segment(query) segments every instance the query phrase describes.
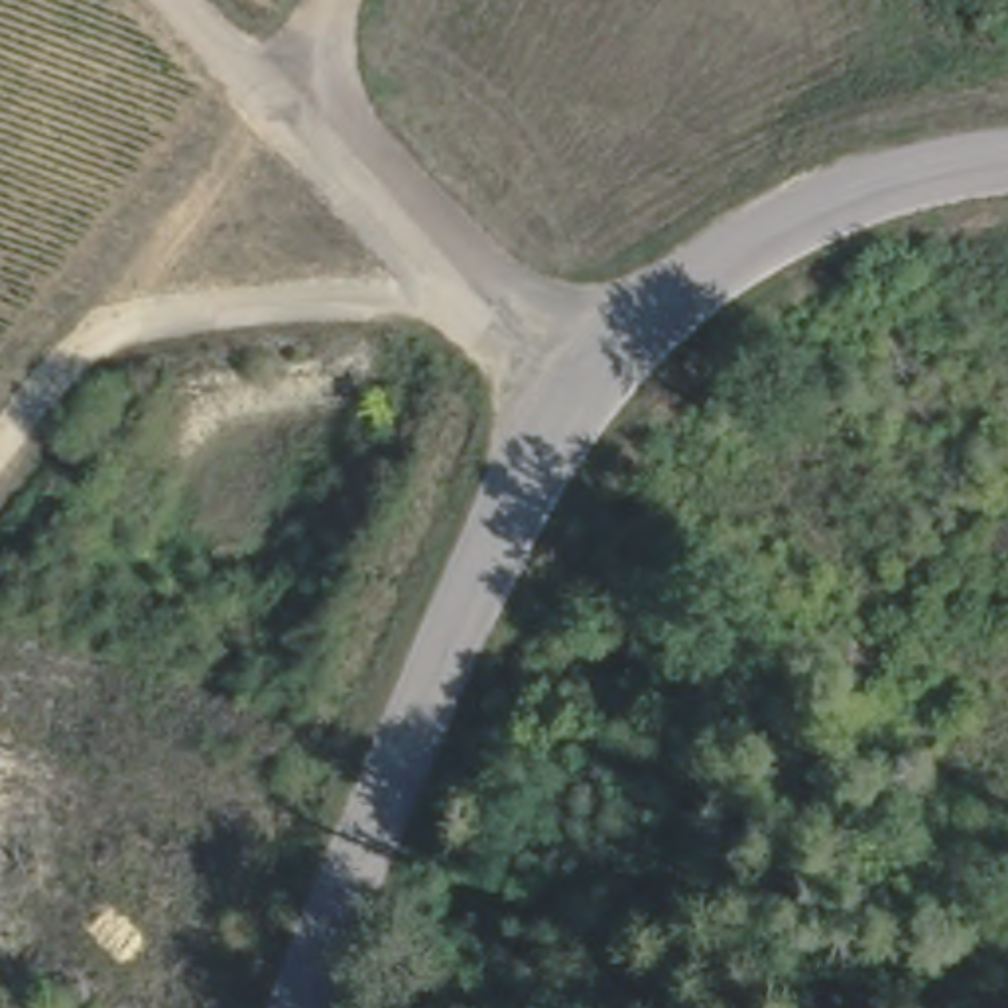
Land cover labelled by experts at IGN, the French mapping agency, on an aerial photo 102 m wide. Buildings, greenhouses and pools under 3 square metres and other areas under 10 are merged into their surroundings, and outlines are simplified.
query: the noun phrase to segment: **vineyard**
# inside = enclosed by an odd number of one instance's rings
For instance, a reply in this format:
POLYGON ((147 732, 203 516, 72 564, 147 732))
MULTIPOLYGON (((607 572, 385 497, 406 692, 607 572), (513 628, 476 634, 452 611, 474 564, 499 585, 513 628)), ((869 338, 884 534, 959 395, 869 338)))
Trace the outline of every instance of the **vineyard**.
POLYGON ((276 35, 303 0, 205 0, 228 24, 260 39, 276 35))
POLYGON ((24 307, 32 299, 32 280, 47 276, 71 244, 79 244, 91 217, 106 205, 106 189, 122 185, 122 177, 138 165, 138 154, 161 138, 146 122, 173 122, 181 98, 189 98, 197 87, 213 87, 217 79, 209 63, 193 51, 193 43, 177 35, 177 28, 150 0, 0 0, 0 303, 24 307))

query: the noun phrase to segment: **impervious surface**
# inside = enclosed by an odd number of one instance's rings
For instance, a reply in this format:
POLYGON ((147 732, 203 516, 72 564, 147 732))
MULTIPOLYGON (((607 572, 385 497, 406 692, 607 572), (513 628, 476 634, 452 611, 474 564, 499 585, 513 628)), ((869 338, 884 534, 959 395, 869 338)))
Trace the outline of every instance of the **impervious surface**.
POLYGON ((492 402, 488 461, 476 465, 476 480, 484 484, 484 492, 473 500, 465 516, 461 539, 445 563, 445 575, 429 599, 429 610, 402 662, 398 685, 386 701, 386 717, 394 725, 370 732, 362 780, 350 784, 347 807, 331 827, 331 862, 315 874, 307 910, 291 917, 287 929, 319 937, 339 917, 347 917, 358 929, 366 910, 382 902, 374 886, 386 882, 386 858, 398 847, 398 831, 406 827, 406 815, 445 732, 445 717, 437 709, 449 705, 445 689, 461 673, 461 658, 484 650, 492 626, 500 622, 500 602, 516 591, 532 543, 547 528, 567 488, 567 476, 575 473, 575 453, 614 425, 622 406, 638 394, 642 378, 658 362, 665 362, 689 335, 697 335, 701 323, 713 319, 728 299, 740 299, 756 284, 823 252, 827 244, 851 232, 914 217, 937 205, 1008 193, 1008 126, 854 154, 823 169, 795 173, 713 221, 689 244, 650 264, 638 264, 606 284, 543 280, 520 268, 504 244, 496 244, 496 236, 480 228, 480 221, 449 205, 441 189, 433 189, 421 177, 406 150, 382 130, 354 63, 354 20, 362 0, 303 0, 276 35, 260 39, 264 63, 272 63, 280 79, 287 79, 291 87, 287 102, 276 106, 268 118, 284 122, 287 130, 303 114, 331 126, 347 142, 347 150, 382 181, 382 189, 410 213, 410 221, 441 248, 441 256, 457 268, 465 287, 492 311, 488 327, 461 350, 484 374, 492 402))

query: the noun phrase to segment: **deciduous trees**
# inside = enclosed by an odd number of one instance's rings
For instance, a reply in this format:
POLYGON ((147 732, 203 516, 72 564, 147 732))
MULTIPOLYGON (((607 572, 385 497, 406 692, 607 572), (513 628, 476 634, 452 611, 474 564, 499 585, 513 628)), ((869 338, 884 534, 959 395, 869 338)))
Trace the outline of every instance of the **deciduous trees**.
POLYGON ((921 0, 933 16, 941 16, 941 24, 957 20, 961 32, 973 32, 980 24, 1008 47, 1008 0, 921 0))
POLYGON ((721 610, 713 602, 713 595, 705 591, 705 575, 689 571, 681 524, 642 488, 650 425, 665 421, 673 406, 705 406, 713 398, 713 386, 725 378, 728 413, 736 429, 760 433, 776 445, 780 457, 791 457, 795 449, 827 433, 827 390, 815 354, 768 331, 768 323, 740 299, 728 299, 713 319, 701 323, 697 335, 689 335, 665 362, 658 362, 642 378, 638 394, 622 406, 614 425, 575 453, 575 473, 567 476, 567 488, 547 528, 532 543, 516 591, 500 602, 500 622, 492 626, 484 650, 461 658, 461 673, 445 689, 449 705, 437 709, 445 717, 445 732, 406 815, 406 827, 398 831, 398 847, 386 858, 386 882, 374 886, 382 902, 413 910, 417 925, 429 929, 425 949, 433 949, 433 965, 449 973, 449 965, 461 957, 441 925, 453 886, 480 886, 504 898, 524 898, 547 874, 571 874, 587 854, 599 854, 610 858, 622 870, 622 878, 650 902, 681 870, 701 878, 728 874, 728 851, 736 851, 748 839, 748 831, 764 839, 780 831, 803 843, 803 831, 811 823, 831 823, 835 831, 874 831, 890 819, 890 858, 898 866, 886 870, 882 882, 870 882, 862 890, 870 906, 886 910, 898 921, 914 917, 917 906, 933 898, 937 906, 957 906, 957 917, 973 929, 977 945, 1008 945, 1008 831, 937 827, 933 835, 925 835, 921 791, 894 784, 882 788, 866 807, 843 803, 835 795, 831 756, 807 740, 811 677, 791 673, 791 658, 799 654, 795 642, 764 642, 768 618, 744 618, 740 610, 721 610), (772 776, 748 788, 736 744, 756 732, 768 740, 776 764, 772 776))

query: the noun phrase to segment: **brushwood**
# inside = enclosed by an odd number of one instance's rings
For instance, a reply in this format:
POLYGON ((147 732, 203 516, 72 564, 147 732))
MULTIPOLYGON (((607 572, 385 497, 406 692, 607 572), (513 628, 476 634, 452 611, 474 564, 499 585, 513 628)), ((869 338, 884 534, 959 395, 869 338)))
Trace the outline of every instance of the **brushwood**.
POLYGON ((75 382, 47 406, 47 413, 28 429, 16 465, 0 476, 0 595, 20 587, 28 599, 24 614, 43 614, 43 626, 59 626, 59 642, 67 650, 75 642, 87 642, 91 650, 106 650, 122 673, 142 673, 165 685, 185 685, 201 677, 205 693, 236 697, 236 709, 268 713, 272 725, 327 721, 343 705, 343 662, 350 650, 350 622, 362 614, 370 587, 398 587, 398 571, 386 567, 382 555, 410 512, 406 484, 413 469, 413 445, 390 433, 378 437, 370 449, 354 453, 350 437, 335 437, 327 429, 327 453, 303 461, 291 504, 268 516, 264 543, 248 555, 217 555, 213 543, 193 532, 193 520, 181 512, 193 457, 177 453, 177 437, 193 402, 185 398, 181 378, 169 378, 134 347, 122 347, 106 358, 91 358, 75 374, 75 382))
POLYGON ((874 725, 874 732, 858 732, 858 756, 902 760, 929 748, 933 740, 949 744, 933 784, 921 791, 925 835, 933 835, 937 827, 1008 831, 1008 193, 937 205, 914 217, 851 232, 827 244, 823 252, 756 284, 740 299, 768 323, 768 331, 815 354, 827 390, 827 433, 795 449, 791 457, 780 457, 776 445, 760 433, 736 429, 728 413, 725 378, 713 386, 713 398, 705 406, 673 406, 665 421, 650 425, 642 488, 681 524, 689 571, 705 575, 705 591, 713 595, 713 602, 721 610, 740 610, 744 618, 768 618, 764 642, 795 642, 799 654, 823 662, 858 650, 858 697, 851 709, 862 709, 874 725))

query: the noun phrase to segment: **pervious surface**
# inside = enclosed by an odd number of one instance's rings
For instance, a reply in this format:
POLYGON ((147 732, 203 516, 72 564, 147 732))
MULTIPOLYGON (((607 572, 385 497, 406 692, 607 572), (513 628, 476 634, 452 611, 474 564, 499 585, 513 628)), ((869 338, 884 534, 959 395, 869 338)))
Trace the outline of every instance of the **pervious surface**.
POLYGON ((268 118, 276 106, 287 102, 291 87, 287 79, 280 79, 272 63, 264 63, 260 39, 228 24, 205 0, 150 0, 177 28, 177 35, 193 43, 193 51, 209 63, 217 79, 224 83, 232 114, 248 122, 272 154, 280 154, 299 177, 315 185, 331 213, 347 221, 347 228, 354 228, 374 256, 386 260, 382 272, 307 276, 264 287, 213 284, 185 287, 173 295, 138 295, 130 303, 102 303, 87 311, 83 323, 59 343, 63 358, 35 354, 28 362, 28 370, 12 382, 12 398, 20 410, 12 417, 0 417, 0 476, 16 465, 28 429, 47 413, 47 406, 75 382, 75 374, 91 358, 106 358, 122 347, 134 347, 150 339, 228 331, 252 323, 417 319, 441 331, 461 350, 488 327, 492 311, 465 287, 457 268, 441 256, 441 248, 410 221, 410 213, 382 189, 382 181, 347 150, 347 142, 331 126, 303 114, 287 130, 284 122, 268 118))

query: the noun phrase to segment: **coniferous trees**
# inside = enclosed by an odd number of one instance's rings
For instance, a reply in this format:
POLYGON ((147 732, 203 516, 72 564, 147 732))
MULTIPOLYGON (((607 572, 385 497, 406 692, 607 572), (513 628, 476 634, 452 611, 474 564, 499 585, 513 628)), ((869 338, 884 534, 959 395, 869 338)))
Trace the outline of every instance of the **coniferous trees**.
POLYGON ((768 740, 756 732, 736 744, 748 788, 772 776, 776 764, 768 740))
POLYGON ((874 725, 862 709, 851 709, 858 697, 858 650, 823 662, 799 654, 791 658, 791 673, 811 677, 807 740, 831 756, 835 795, 843 803, 866 807, 882 788, 894 784, 921 791, 933 784, 949 744, 933 740, 929 748, 902 760, 858 756, 858 732, 874 732, 874 725))
POLYGON ((736 851, 728 851, 728 874, 701 878, 681 870, 650 902, 622 878, 622 870, 610 858, 599 854, 587 854, 571 874, 547 874, 524 898, 504 898, 480 886, 453 886, 441 925, 461 957, 449 965, 449 973, 433 965, 433 949, 425 949, 429 929, 417 925, 413 910, 382 902, 366 910, 358 929, 358 937, 327 953, 327 1008, 1008 1008, 1008 945, 977 945, 973 929, 957 917, 957 906, 937 906, 933 898, 917 906, 914 917, 898 921, 886 910, 870 906, 862 890, 870 882, 882 882, 886 870, 898 866, 890 858, 890 819, 874 831, 835 831, 831 823, 811 823, 803 831, 803 843, 780 831, 764 839, 748 831, 748 839, 736 851))
POLYGON ((71 977, 51 973, 51 949, 43 949, 39 941, 24 945, 20 953, 0 953, 0 1008, 83 1008, 87 1000, 71 984, 71 977))

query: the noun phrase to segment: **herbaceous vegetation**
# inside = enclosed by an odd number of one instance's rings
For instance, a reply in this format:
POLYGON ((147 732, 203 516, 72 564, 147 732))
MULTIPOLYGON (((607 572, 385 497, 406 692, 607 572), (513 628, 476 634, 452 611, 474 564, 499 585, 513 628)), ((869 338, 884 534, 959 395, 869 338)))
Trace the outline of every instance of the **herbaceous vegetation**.
POLYGON ((39 941, 43 949, 51 949, 51 973, 71 977, 71 984, 87 1000, 83 1008, 327 1008, 327 953, 358 937, 358 929, 347 917, 339 917, 319 937, 287 929, 291 917, 307 910, 315 874, 331 862, 331 827, 347 807, 350 784, 362 780, 370 732, 394 725, 386 717, 386 701, 398 685, 402 662, 429 610, 429 599, 445 575, 445 563, 461 539, 465 516, 473 500, 484 492, 484 484, 476 480, 476 465, 488 461, 492 402, 484 374, 461 350, 441 331, 417 319, 252 323, 228 331, 150 339, 134 347, 169 378, 181 378, 185 398, 193 402, 177 437, 177 453, 193 457, 181 512, 193 520, 193 532, 213 543, 217 555, 248 555, 264 543, 268 516, 291 504, 303 461, 327 453, 327 429, 335 437, 350 437, 354 453, 370 449, 378 437, 390 433, 413 445, 413 469, 406 484, 410 512, 382 555, 386 567, 398 571, 398 587, 370 587, 362 614, 350 622, 350 650, 343 662, 343 705, 327 721, 272 725, 268 713, 236 709, 236 697, 205 693, 201 677, 185 685, 165 685, 142 673, 122 673, 106 650, 91 650, 87 642, 75 642, 67 650, 59 642, 59 626, 43 626, 43 614, 24 614, 28 599, 20 587, 0 595, 0 953, 20 953, 24 945, 39 941))
POLYGON ((91 217, 79 244, 71 244, 47 276, 32 280, 32 299, 24 307, 0 303, 0 417, 12 417, 20 410, 12 398, 12 382, 28 370, 28 362, 35 354, 63 358, 59 343, 83 323, 87 311, 102 303, 130 303, 138 295, 173 295, 185 287, 213 284, 264 287, 307 276, 382 272, 386 260, 374 256, 354 228, 347 228, 347 221, 331 213, 315 185, 299 177, 280 154, 272 154, 248 122, 232 114, 224 83, 217 79, 213 87, 197 87, 189 98, 181 98, 173 122, 146 122, 161 138, 138 154, 138 165, 122 177, 122 185, 106 189, 106 205, 91 217))

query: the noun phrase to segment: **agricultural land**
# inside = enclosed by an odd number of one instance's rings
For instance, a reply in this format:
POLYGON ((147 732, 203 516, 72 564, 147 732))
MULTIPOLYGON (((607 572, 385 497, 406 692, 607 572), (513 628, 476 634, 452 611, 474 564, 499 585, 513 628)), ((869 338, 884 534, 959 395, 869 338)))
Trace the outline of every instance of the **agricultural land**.
POLYGON ((606 284, 638 264, 650 264, 689 244, 713 221, 795 173, 823 169, 854 154, 1008 126, 1008 47, 980 24, 973 32, 961 32, 957 20, 941 24, 941 16, 933 16, 921 0, 362 0, 354 20, 354 63, 382 130, 406 150, 421 177, 433 189, 441 189, 449 205, 480 221, 480 228, 496 236, 496 244, 504 244, 520 268, 543 280, 606 284))

